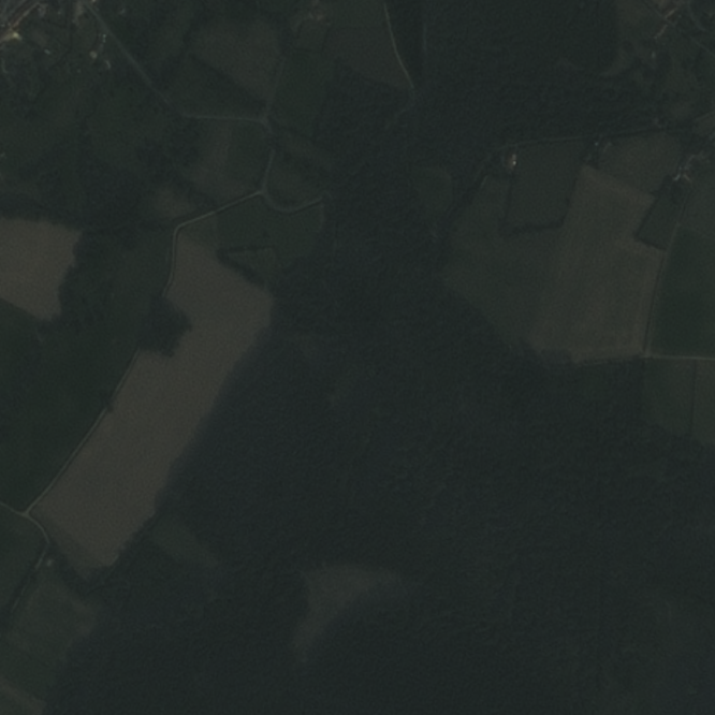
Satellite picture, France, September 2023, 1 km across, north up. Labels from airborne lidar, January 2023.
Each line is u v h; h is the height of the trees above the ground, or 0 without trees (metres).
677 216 0
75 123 0
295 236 0
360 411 30
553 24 21
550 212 0
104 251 0
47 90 0
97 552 0
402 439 34
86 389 0
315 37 0
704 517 23
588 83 8
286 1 0
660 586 17
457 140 25
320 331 24
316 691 16
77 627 0
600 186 0
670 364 0
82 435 0
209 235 0
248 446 21
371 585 0
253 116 0
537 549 27
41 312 0
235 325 0
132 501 0
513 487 31
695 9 10
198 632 23
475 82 17
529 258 0
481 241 0
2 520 0
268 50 0
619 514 24
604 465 10
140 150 0
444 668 16
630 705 0
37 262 0
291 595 18
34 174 16
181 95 0
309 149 0
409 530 26
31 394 0
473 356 16
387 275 15
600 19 24
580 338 0
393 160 21
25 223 0
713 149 6
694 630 0
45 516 0
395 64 0
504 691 14
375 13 0
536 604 20
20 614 0
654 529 18
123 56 0
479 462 26
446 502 31
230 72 0
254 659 18
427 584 21
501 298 0
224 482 27
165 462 0
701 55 6
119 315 0
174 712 20
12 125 0
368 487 22
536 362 14
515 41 15
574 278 0
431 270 15
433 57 12
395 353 16
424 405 24
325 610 0
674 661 0
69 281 7
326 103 7
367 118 13
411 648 14
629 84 9
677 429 0
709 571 18
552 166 0
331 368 24
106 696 21
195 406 0
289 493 19
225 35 0
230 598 23
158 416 0
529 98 28
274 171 0
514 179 11
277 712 24
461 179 14
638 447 12
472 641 14
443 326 20
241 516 19
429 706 13
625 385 9
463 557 32
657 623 27
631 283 0
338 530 23
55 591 0
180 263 0
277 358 27
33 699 0
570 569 24
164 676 25
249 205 0
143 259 0
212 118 0
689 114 0
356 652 16
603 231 0
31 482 0
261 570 24
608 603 22
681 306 0
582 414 18
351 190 22
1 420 18
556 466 10
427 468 33
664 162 0
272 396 25
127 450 0
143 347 16
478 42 14
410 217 18
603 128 8
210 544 26
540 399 12
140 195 15
